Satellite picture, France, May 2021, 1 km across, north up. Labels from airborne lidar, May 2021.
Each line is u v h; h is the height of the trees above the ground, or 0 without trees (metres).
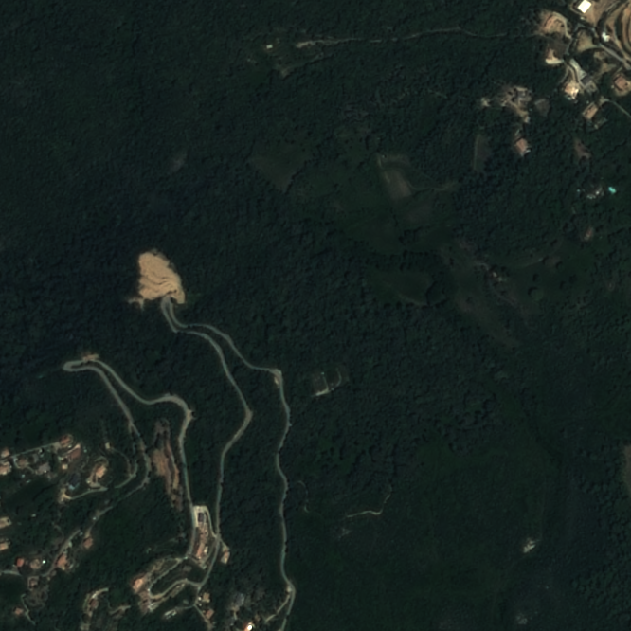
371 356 14
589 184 13
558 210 9
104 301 12
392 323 18
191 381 11
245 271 13
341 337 18
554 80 10
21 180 8
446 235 0
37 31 14
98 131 11
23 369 8
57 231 11
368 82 15
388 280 0
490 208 13
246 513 16
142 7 15
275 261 7
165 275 0
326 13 12
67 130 11
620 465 9
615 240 13
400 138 14
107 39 14
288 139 14
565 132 13
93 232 15
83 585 15
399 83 20
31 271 16
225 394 12
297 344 12
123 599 14
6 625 7
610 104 14
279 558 7
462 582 9
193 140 10
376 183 9
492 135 12
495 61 12
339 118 18
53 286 12
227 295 9
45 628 12
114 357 16
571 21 9
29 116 8
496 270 16
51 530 11
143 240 10
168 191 10
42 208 10
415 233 14
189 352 10
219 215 12
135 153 10
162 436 16
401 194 0
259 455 16
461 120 6
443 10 12
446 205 9
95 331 7
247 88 18
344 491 8
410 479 20
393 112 14
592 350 11
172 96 15
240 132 14
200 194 14
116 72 10
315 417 14
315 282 14
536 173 7
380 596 6
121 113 14
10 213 11
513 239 12
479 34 11
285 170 0
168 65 13
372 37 10
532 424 6
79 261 15
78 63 12
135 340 10
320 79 18
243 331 19
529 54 8
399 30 12
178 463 10
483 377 12
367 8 11
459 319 20
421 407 16
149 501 11
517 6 7
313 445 15
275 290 17
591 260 0
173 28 8
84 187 8
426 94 13
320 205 8
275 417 9
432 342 16
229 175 15
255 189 18
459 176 7
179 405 6
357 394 19
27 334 13
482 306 0
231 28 14
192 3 7
